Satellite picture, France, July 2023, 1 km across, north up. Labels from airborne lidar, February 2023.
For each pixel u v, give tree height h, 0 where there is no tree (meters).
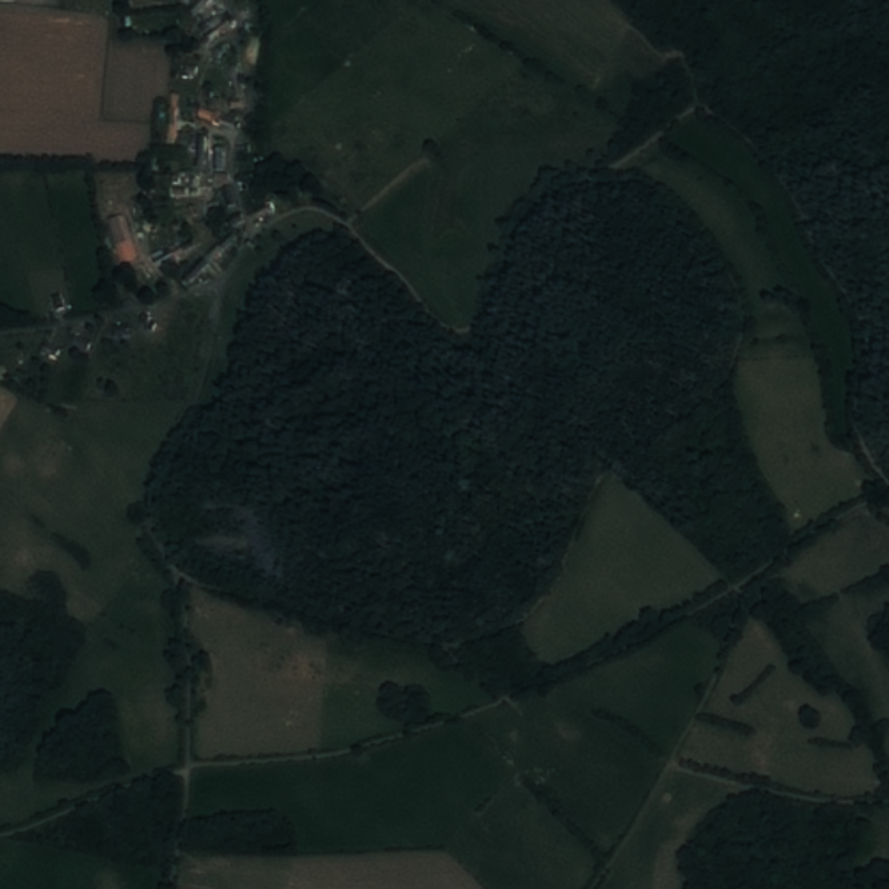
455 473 12
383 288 7
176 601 12
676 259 19
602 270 21
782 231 0
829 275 10
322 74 0
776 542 12
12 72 0
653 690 0
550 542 21
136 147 0
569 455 25
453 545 21
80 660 0
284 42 0
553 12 0
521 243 23
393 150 0
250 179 11
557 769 0
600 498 0
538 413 17
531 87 0
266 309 24
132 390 0
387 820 0
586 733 0
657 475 27
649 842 0
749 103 9
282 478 29
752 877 8
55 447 0
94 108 0
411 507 19
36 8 0
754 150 6
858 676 0
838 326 0
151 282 0
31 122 0
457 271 0
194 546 6
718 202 0
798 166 15
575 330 21
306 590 19
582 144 0
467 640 7
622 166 0
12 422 0
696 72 14
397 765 0
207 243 0
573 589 0
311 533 20
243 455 17
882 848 0
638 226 27
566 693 0
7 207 0
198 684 13
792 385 0
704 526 9
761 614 15
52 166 20
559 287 25
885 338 22
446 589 17
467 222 0
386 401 23
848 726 0
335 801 0
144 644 0
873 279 15
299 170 17
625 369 11
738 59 8
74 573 0
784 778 0
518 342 28
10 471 0
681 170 0
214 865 0
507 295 19
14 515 0
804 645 9
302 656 0
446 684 0
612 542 0
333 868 0
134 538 0
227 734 0
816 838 8
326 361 14
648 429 21
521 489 20
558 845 0
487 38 6
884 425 10
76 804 6
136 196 0
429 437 24
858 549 0
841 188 10
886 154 8
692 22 6
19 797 0
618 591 0
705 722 6
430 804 0
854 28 16
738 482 6
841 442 10
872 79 8
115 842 9
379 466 23
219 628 0
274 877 0
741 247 0
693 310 26
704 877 19
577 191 16
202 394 0
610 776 0
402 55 0
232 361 13
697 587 0
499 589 21
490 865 0
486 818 0
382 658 0
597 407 12
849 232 16
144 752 0
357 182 0
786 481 0
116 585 0
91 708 15
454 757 0
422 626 23
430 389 34
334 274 29
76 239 0
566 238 24
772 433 0
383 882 0
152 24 0
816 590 0
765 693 0
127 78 0
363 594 22
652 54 0
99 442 0
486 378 23
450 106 0
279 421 28
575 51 0
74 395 0
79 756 13
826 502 0
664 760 0
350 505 32
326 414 15
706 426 16
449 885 0
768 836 8
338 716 0
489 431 27
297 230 7
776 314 0
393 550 21
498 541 22
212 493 20
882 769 15
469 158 0
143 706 0
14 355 0
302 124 0
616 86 0
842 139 9
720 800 0
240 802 0
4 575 0
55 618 7
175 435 13
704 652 0
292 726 0
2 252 0
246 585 8
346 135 0
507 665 8
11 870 0
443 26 0
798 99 10
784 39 8
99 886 0
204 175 0
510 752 0
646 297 20
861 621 0
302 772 0
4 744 17
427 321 15
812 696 0
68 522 0
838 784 0
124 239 0
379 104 0
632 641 11
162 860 7
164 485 21
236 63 0
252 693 0
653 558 0
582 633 0
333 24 0
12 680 15
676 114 9
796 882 7
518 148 0
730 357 12
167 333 0
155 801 9
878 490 19
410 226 0
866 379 9
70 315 6
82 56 0
